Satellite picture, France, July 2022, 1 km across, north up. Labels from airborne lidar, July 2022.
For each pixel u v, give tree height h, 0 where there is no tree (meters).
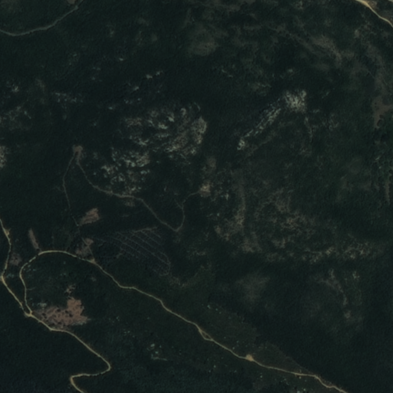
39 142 6
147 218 7
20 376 10
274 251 8
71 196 5
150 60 10
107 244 11
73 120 6
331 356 6
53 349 10
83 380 6
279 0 6
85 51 6
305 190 7
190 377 7
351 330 7
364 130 8
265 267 7
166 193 5
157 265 10
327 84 6
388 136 8
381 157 9
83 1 8
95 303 10
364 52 7
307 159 7
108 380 11
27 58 10
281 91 9
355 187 5
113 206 7
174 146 0
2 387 13
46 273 6
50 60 10
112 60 7
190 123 6
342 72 6
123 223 6
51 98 7
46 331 7
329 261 8
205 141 6
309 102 7
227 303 7
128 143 5
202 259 8
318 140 8
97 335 8
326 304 6
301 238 6
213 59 9
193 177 6
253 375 0
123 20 8
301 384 0
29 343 8
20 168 7
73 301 0
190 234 6
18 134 6
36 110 6
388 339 7
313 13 6
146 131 6
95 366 10
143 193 6
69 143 6
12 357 8
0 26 10
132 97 7
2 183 9
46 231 6
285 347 7
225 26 7
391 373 7
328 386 0
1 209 7
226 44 6
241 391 9
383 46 8
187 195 6
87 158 7
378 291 9
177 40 7
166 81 7
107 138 7
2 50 10
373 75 7
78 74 7
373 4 0
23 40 8
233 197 7
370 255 8
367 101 10
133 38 6
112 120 5
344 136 7
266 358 0
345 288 6
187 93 9
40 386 12
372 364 7
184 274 7
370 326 8
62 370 8
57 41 9
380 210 9
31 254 7
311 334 8
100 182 6
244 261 7
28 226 6
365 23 7
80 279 5
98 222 8
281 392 8
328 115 8
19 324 8
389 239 7
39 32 9
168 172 7
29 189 9
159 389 10
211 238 6
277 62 8
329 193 7
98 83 6
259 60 8
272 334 7
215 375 6
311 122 12
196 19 7
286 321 8
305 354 7
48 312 0
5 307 8
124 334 7
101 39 7
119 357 6
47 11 9
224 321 0
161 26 9
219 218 6
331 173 6
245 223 5
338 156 6
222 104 7
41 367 10
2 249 6
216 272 12
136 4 6
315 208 6
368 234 9
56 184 6
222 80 6
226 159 5
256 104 6
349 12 6
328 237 6
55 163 6
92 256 10
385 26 7
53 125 7
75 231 8
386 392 8
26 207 7
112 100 8
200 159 6
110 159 6
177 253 6
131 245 10
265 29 6
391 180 12
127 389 10
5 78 8
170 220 6
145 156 0
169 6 8
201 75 7
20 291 8
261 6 6
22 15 8
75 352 10
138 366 8
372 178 6
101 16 9
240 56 9
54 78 6
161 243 8
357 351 10
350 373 9
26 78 10
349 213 7
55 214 8
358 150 9
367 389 7
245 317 9
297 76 6
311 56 7
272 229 6
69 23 7
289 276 8
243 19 7
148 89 7
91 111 6
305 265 8
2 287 8
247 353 0
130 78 9
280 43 8
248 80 7
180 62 9
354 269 6
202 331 0
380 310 7
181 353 9
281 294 6
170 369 7
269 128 7
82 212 8
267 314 6
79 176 5
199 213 5
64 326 6
